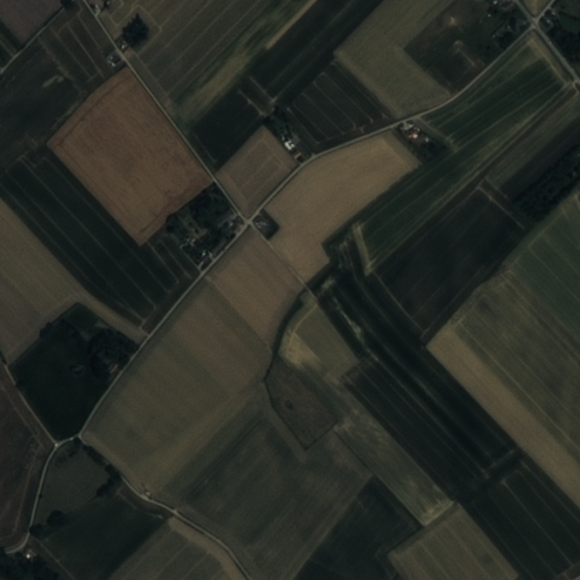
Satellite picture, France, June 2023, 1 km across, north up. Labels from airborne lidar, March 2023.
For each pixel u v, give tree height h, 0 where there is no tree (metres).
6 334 0
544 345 0
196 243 6
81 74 0
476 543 0
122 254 0
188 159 0
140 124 0
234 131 0
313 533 0
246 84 0
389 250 0
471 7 0
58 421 0
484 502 0
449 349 0
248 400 0
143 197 0
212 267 0
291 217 0
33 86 0
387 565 0
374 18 0
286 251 0
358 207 0
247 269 0
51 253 0
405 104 0
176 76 0
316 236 0
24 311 0
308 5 0
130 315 0
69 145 0
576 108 0
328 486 0
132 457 0
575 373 0
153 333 0
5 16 0
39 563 24
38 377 0
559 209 0
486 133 0
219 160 0
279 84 0
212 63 0
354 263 0
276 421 0
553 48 0
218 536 0
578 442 0
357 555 0
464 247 0
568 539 0
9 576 22
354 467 0
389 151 0
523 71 0
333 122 0
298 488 0
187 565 0
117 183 0
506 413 0
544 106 0
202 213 19
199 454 0
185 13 0
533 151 0
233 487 0
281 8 0
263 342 0
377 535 0
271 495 0
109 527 0
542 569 0
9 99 0
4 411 0
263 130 0
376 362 0
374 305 0
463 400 0
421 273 0
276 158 0
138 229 0
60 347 0
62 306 0
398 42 0
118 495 0
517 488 0
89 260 0
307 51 0
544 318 0
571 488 0
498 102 0
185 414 0
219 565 0
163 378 0
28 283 0
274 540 0
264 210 0
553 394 0
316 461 0
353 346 0
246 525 0
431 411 0
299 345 0
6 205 0
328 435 0
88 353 13
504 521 0
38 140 0
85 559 0
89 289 0
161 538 0
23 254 0
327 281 0
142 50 0
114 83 0
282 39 0
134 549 0
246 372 0
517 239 0
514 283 0
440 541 0
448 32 0
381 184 0
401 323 0
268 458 0
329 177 0
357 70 0
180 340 0
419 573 0
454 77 0
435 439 0
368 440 0
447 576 0
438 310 0
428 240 0
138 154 0
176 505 0
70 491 0
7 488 0
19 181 0
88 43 0
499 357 0
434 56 0
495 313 0
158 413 0
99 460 12
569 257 0
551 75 0
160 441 0
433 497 0
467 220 0
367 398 0
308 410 0
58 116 0
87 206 0
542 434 0
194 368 0
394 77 0
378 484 0
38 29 0
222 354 0
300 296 0
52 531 0
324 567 0
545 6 0
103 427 0
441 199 0
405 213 0
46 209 0
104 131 0
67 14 0
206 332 0
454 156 0
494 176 0
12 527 0
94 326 0
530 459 0
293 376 0
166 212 0
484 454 0
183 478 0
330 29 0
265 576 0
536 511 0
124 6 0
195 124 0
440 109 0
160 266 0
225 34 0
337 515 0
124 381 0
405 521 0
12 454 0
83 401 0
